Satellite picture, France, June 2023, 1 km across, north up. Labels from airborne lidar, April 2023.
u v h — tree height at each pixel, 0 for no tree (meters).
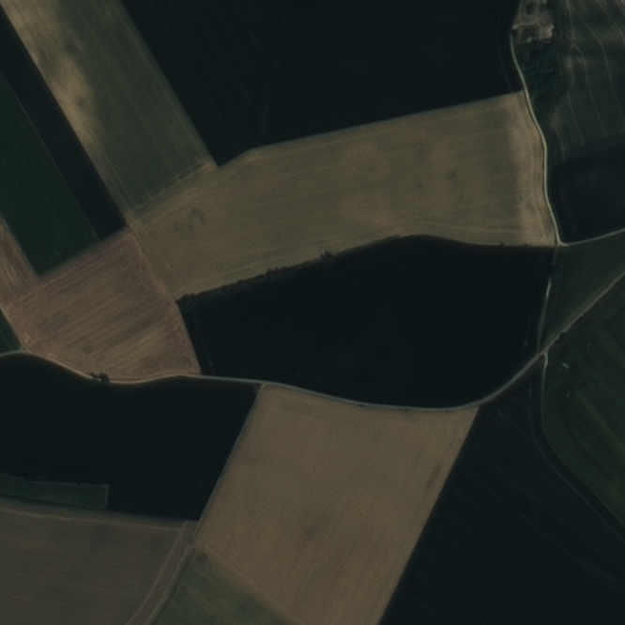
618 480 0
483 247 0
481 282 0
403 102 0
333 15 0
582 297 0
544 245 0
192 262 0
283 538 0
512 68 0
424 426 0
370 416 0
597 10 0
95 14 0
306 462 0
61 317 0
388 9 0
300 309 0
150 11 0
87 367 0
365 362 0
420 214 0
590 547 0
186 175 0
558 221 0
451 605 0
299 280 0
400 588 0
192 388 0
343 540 0
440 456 0
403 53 0
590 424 0
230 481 0
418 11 0
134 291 0
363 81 0
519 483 0
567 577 0
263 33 0
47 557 0
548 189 0
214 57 0
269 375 0
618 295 0
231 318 0
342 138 0
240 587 0
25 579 0
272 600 0
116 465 0
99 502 0
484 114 0
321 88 0
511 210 0
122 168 0
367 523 0
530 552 0
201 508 0
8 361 0
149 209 0
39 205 0
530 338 0
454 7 0
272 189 0
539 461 0
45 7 0
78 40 0
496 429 0
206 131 0
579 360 0
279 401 0
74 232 0
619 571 0
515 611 0
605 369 0
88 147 0
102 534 0
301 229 0
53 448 0
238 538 0
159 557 0
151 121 0
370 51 0
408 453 0
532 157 0
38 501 0
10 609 0
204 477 0
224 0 0
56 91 0
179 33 0
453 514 0
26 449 0
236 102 0
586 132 0
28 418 0
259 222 0
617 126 0
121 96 0
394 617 0
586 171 0
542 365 0
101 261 0
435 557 0
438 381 0
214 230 0
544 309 0
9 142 0
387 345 0
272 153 0
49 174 0
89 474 0
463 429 0
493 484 0
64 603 0
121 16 0
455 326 0
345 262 0
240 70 0
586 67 0
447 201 0
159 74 0
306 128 0
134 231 0
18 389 0
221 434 0
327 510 0
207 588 0
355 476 0
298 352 0
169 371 0
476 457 0
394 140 0
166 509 0
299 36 0
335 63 0
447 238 0
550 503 0
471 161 0
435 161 0
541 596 0
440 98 0
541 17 0
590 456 0
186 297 11
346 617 0
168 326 0
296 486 0
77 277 0
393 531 0
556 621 0
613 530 0
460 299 0
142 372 0
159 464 0
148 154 0
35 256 0
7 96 0
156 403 0
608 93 0
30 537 0
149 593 0
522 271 0
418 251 0
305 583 0
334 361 0
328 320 0
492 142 0
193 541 0
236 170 0
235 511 0
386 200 0
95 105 0
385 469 0
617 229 0
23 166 0
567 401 0
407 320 0
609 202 0
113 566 0
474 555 0
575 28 0
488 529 0
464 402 0
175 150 0
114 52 0
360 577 0
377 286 0
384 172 0
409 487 0
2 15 0
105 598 0
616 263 0
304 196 0
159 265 0
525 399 0
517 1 0
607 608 0
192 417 0
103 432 0
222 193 0
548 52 11
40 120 0
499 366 0
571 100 0
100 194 0
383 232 0
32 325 0
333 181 0
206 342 0
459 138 0
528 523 0
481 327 0
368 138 0
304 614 0
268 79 0
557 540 0
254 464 0
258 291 0
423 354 0
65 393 0
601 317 0
